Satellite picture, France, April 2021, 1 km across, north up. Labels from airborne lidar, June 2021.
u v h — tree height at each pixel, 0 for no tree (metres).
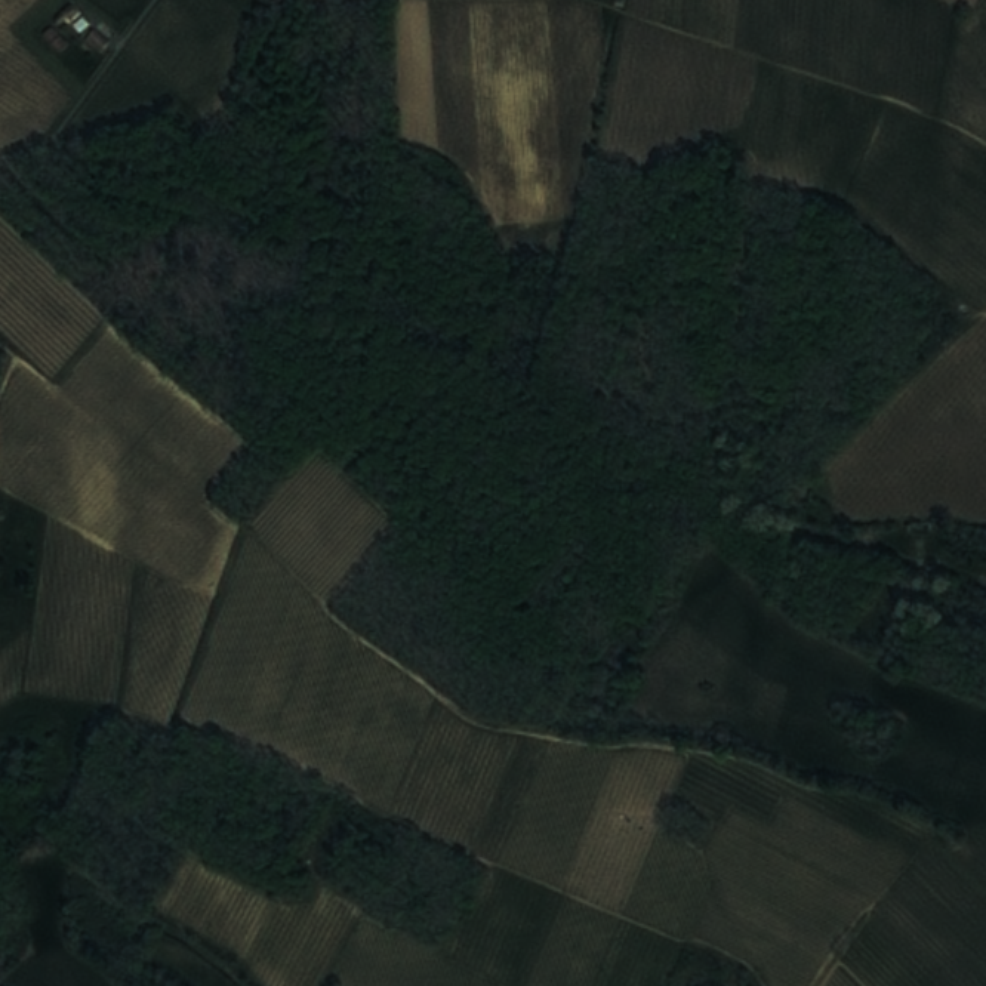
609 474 21
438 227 19
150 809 19
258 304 17
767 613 0
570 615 20
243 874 19
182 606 0
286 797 24
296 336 24
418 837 19
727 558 11
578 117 0
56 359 0
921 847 0
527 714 17
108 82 0
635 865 0
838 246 25
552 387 23
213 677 0
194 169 29
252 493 17
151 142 27
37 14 0
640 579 23
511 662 21
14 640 0
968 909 0
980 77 0
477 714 15
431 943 23
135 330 14
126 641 0
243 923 0
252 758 19
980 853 0
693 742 16
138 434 0
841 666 0
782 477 19
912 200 0
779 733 0
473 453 22
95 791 21
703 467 18
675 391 20
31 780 22
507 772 0
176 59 0
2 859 22
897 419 0
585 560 24
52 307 0
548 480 24
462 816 0
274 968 0
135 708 0
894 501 0
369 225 24
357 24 19
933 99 0
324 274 22
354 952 0
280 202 28
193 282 13
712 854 0
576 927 0
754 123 0
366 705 0
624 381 17
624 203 16
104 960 26
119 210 22
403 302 25
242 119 20
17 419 0
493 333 22
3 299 0
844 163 0
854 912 0
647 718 9
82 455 0
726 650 0
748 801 0
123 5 0
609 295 16
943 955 0
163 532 0
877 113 0
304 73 15
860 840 0
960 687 16
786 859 0
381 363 21
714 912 0
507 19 0
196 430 0
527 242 0
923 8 0
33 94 0
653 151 0
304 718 0
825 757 0
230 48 0
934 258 0
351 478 10
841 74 0
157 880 27
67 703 0
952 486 0
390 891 23
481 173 0
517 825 0
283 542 0
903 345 23
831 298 27
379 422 25
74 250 20
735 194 22
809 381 22
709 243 27
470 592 20
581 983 0
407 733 0
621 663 18
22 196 19
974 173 0
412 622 15
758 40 0
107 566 0
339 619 12
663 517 23
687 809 19
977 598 19
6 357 18
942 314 14
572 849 0
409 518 21
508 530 20
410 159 21
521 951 0
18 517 0
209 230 15
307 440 19
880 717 14
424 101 0
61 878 0
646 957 0
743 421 18
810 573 27
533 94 0
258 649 0
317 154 20
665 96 0
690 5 0
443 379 22
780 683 0
